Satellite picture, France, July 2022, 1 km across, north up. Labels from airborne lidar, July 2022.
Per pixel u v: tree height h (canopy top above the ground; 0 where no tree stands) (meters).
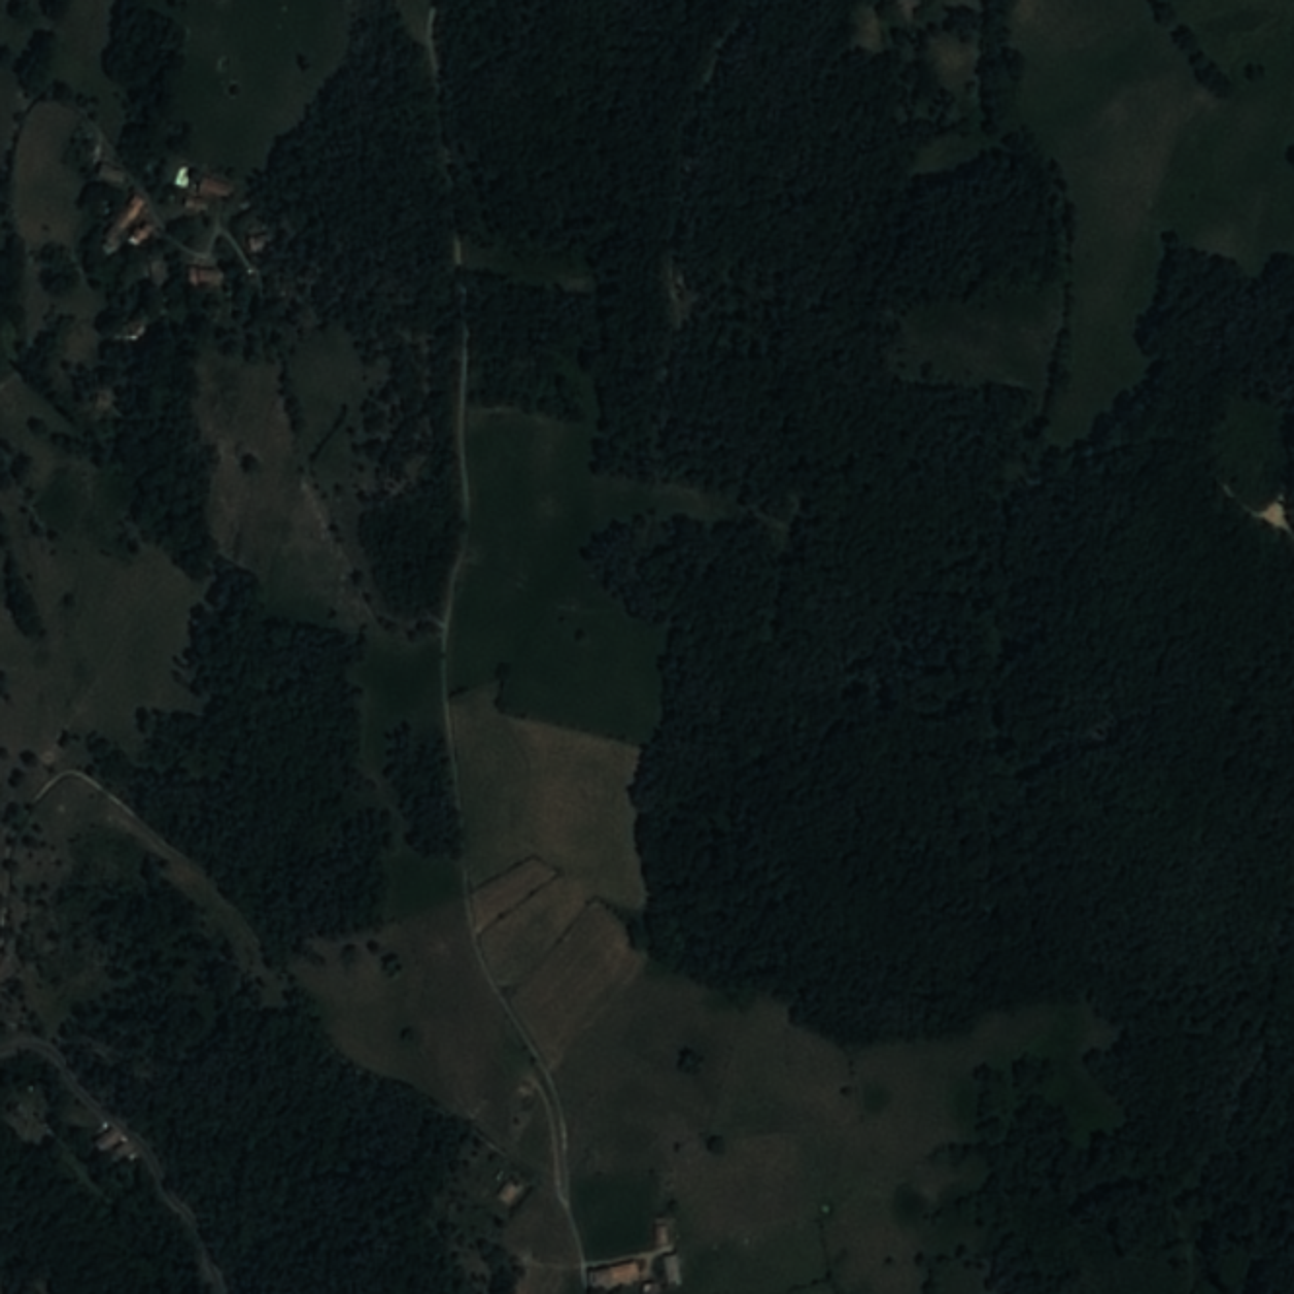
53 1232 18
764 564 21
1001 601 29
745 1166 0
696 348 14
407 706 0
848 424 21
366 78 16
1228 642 13
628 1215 0
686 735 14
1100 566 17
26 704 0
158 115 10
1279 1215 20
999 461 24
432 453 8
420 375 10
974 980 19
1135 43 0
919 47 16
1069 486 15
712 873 24
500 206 18
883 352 19
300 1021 16
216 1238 19
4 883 0
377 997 0
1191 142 0
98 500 0
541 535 0
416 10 0
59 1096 11
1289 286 22
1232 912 23
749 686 16
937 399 20
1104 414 0
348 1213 18
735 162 17
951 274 19
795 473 22
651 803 17
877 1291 0
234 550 0
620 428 9
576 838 0
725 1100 0
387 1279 21
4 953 8
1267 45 0
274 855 8
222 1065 15
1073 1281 17
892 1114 0
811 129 20
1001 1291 17
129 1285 23
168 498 18
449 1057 0
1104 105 0
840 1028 16
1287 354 16
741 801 25
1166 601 16
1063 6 0
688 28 24
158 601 0
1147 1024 25
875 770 20
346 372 0
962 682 27
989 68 22
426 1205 13
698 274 12
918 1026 13
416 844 13
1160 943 20
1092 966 18
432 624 8
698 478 15
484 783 0
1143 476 22
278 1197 18
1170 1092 17
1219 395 17
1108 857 12
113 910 19
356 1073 14
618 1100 0
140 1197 17
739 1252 0
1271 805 22
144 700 0
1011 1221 14
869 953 20
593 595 0
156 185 13
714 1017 0
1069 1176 24
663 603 18
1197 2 0
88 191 9
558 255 7
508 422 0
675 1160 0
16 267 17
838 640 25
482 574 0
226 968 16
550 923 0
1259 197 0
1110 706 13
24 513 8
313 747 11
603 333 6
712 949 19
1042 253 12
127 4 11
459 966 0
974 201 23
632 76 27
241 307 8
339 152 9
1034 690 21
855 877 23
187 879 0
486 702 0
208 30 0
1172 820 13
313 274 13
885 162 19
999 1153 14
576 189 21
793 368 19
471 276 18
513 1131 0
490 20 13
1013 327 0
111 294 7
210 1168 15
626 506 0
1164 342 23
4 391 0
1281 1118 13
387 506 8
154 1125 8
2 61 15
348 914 12
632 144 21
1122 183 0
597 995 0
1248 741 16
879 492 21
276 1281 20
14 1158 19
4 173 11
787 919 19
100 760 10
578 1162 0
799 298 24
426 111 6
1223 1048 26
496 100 13
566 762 0
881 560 23
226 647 15
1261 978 18
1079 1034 0
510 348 12
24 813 14
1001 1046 0
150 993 18
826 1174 0
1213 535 22
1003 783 30
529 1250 0
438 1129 11
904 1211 0
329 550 0
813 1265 0
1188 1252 20
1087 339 0
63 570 0
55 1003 0
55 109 0
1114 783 14
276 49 0
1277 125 0
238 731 17
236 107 0
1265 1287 27
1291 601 18
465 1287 14
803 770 30
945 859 20
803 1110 0
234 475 0
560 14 23
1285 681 13
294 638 23
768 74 18
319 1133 13
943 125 14
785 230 25
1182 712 18
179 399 12
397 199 13
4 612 0
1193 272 17
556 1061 0
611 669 0
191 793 9
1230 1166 21
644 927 11
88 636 0
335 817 10
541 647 0
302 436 7
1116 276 0
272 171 10
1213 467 22
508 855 0
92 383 15
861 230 8
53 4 18
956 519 19
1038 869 24
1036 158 14
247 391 0
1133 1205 29
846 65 21
